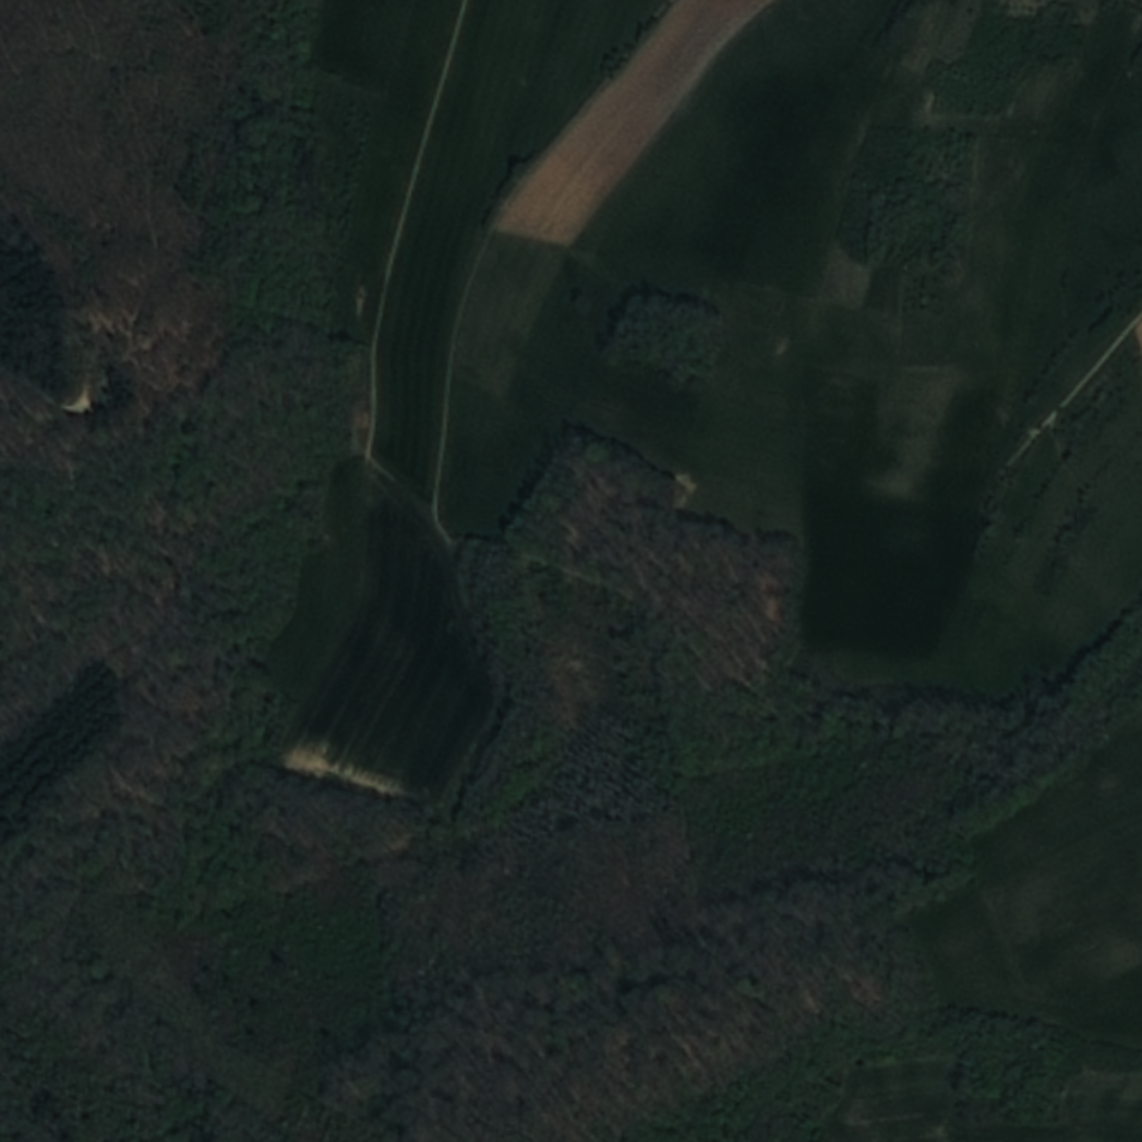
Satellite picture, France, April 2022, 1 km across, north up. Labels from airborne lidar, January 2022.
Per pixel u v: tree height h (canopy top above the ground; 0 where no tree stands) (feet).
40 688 88
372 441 0
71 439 76
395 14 0
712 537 68
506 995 100
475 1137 96
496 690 45
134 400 56
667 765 42
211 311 29
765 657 97
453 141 0
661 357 86
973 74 19
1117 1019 0
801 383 0
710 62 0
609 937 53
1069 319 0
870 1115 0
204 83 39
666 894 60
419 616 0
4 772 72
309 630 0
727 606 100
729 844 45
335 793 72
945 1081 0
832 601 0
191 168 34
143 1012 84
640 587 85
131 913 59
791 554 80
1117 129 0
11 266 81
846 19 0
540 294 0
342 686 0
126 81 34
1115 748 0
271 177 74
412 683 0
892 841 43
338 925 30
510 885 53
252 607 78
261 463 87
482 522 0
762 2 0
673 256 0
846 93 0
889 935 90
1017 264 0
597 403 0
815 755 62
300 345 99
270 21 48
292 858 51
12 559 88
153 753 105
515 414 0
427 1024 79
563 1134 94
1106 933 0
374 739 0
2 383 87
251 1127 83
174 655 97
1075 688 65
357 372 78
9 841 48
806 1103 80
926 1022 51
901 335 0
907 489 0
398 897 46
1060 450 0
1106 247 0
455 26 0
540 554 79
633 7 0
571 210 0
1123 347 0
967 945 0
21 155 38
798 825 42
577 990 93
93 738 55
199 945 39
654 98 0
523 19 0
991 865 0
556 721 86
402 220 0
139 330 23
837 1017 86
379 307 0
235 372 81
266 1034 33
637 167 0
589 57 0
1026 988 0
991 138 0
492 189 0
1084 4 0
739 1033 101
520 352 0
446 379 0
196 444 92
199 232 52
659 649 70
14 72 36
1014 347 0
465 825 62
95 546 83
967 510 0
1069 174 0
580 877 71
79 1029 54
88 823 86
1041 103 0
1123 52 0
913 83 0
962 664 0
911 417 0
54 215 32
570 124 0
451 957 54
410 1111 99
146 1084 79
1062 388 0
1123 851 0
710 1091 88
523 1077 103
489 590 76
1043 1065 41
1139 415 0
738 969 88
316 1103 32
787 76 0
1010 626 0
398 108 0
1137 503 0
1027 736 74
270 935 27
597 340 0
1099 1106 0
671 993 100
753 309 0
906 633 0
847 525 0
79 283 34
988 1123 55
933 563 0
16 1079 40
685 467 0
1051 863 0
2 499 88
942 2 0
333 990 31
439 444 0
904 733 90
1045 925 0
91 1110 48
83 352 21
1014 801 69
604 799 83
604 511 90
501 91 0
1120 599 0
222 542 97
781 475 0
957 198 63
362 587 0
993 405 0
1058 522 0
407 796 0
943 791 41
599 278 0
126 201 39
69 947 50
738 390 0
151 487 93
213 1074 72
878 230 58
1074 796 0
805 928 109
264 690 73
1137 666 64
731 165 0
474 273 0
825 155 0
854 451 0
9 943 71
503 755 72
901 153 23
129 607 96
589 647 0
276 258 78
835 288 0
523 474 0
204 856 86
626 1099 98
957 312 0
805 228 0
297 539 72
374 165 0
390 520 0
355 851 35
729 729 80
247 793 108
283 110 77
